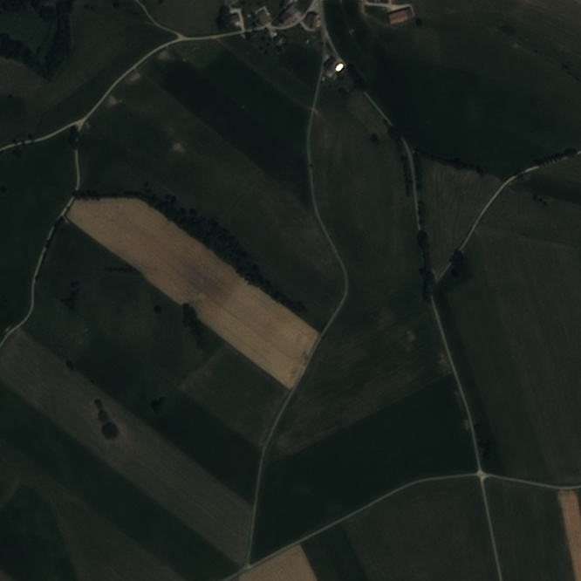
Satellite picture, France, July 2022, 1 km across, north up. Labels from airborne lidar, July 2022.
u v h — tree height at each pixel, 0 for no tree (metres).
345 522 0
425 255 9
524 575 0
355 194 0
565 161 0
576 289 0
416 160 9
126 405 0
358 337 0
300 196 0
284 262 0
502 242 0
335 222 0
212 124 0
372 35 0
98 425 0
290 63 0
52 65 18
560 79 0
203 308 0
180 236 0
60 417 0
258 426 0
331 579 0
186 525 0
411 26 0
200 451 0
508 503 0
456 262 19
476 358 0
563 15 0
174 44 0
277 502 0
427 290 14
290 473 0
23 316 0
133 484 0
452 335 0
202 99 0
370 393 0
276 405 0
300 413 0
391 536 0
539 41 0
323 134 0
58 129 0
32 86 0
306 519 0
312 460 0
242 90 0
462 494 0
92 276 0
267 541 0
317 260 0
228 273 0
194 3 0
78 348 0
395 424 0
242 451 0
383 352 0
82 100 0
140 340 0
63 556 0
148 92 0
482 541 0
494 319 0
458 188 0
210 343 0
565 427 0
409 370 0
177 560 0
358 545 0
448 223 0
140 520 0
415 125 0
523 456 0
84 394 0
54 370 0
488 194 0
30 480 0
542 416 0
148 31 0
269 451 0
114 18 0
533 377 0
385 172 0
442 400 0
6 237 0
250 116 0
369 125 0
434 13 0
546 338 0
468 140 0
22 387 0
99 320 0
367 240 0
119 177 0
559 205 0
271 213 0
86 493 0
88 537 0
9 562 0
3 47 20
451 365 0
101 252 0
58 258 0
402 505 0
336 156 0
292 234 0
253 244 0
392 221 0
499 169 0
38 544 0
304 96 0
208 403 0
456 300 0
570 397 0
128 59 0
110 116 0
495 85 0
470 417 0
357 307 0
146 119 0
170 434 0
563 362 0
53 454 0
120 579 0
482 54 0
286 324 0
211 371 0
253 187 0
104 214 0
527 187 0
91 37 0
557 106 0
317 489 0
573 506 0
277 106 0
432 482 0
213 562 0
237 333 0
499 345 0
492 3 0
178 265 0
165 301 0
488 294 0
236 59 0
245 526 0
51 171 0
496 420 0
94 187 0
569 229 0
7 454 0
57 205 0
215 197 0
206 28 0
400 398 0
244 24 0
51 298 0
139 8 0
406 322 0
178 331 0
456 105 0
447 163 8
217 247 18
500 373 0
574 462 0
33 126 0
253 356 0
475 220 0
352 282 0
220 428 0
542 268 0
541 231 0
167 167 0
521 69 0
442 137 0
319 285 0
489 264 0
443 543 0
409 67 0
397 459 0
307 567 0
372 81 0
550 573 0
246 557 0
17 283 0
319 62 0
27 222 0
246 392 0
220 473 0
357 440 0
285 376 0
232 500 0
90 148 0
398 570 0
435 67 0
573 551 0
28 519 0
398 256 0
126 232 0
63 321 0
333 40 0
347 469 0
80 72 0
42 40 0
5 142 0
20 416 0
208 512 0
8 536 0
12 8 7
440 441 0
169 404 0
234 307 0
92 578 0
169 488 0
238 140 0
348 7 0
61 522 0
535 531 0
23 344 0
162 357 0
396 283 0
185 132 0
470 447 0
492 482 0
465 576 0
